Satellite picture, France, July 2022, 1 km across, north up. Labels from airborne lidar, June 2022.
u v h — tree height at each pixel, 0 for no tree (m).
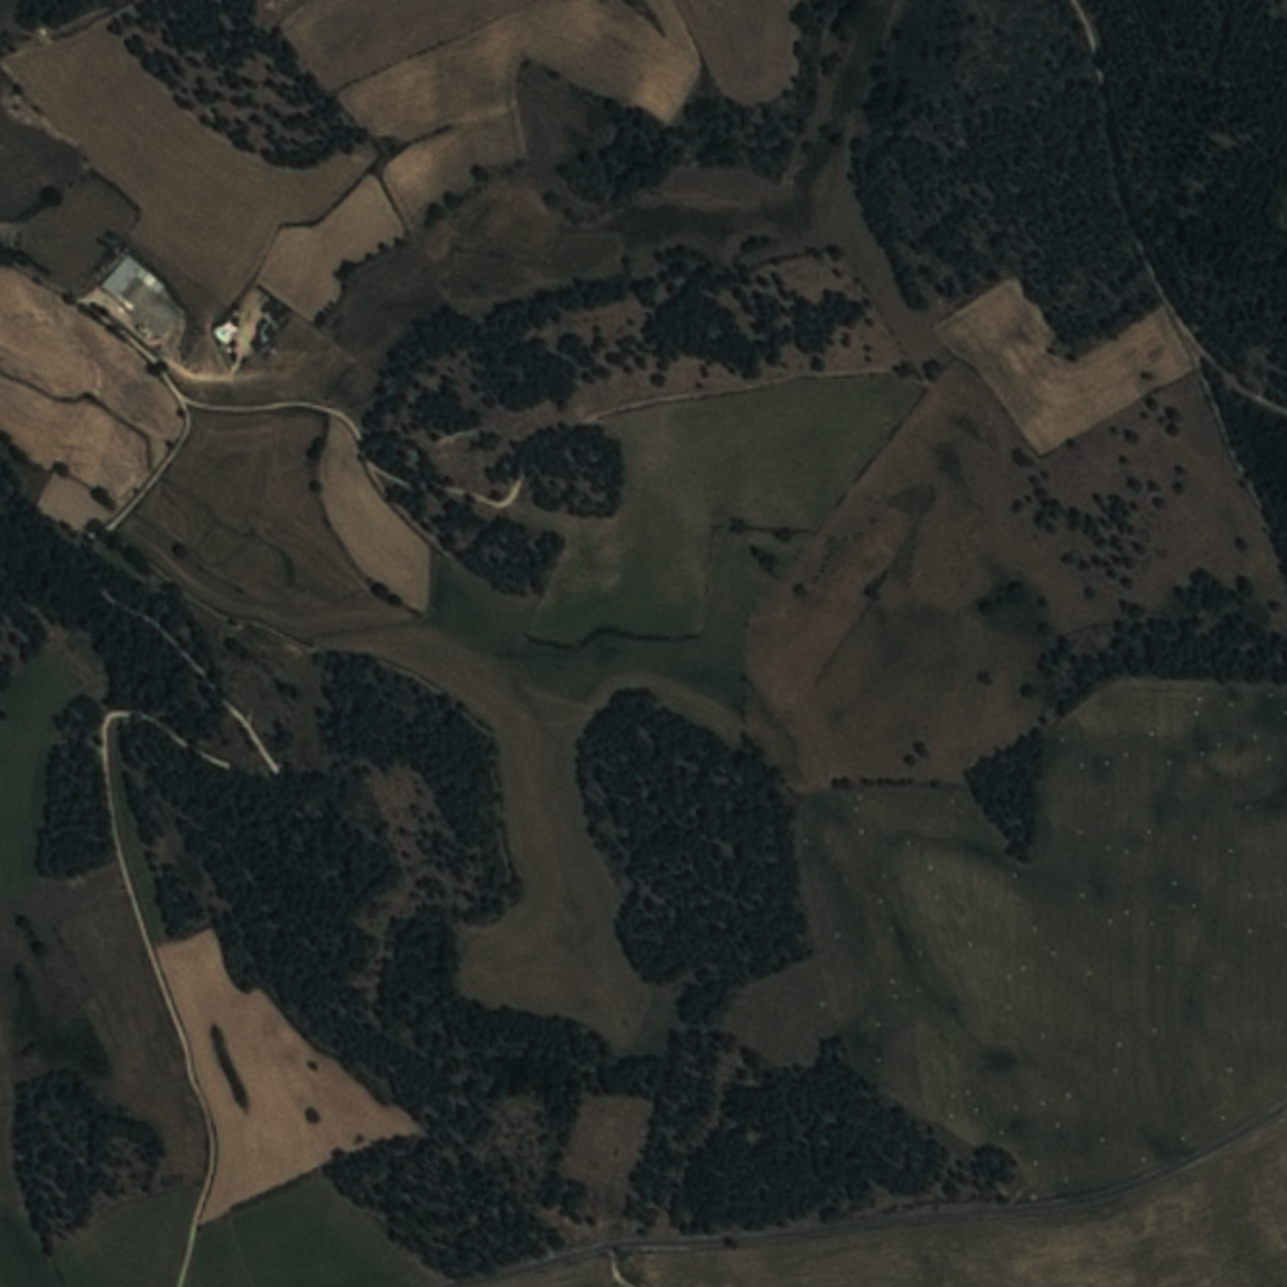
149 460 0
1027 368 0
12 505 9
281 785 18
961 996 0
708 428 0
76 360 0
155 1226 0
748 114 14
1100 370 0
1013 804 18
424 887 8
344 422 0
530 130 0
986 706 0
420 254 0
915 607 0
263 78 0
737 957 16
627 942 18
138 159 0
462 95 0
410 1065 18
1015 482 0
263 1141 0
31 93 0
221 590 0
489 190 0
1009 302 0
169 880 7
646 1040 0
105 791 13
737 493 0
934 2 14
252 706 0
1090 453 0
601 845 6
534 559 14
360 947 17
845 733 0
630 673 0
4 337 0
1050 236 17
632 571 0
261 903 14
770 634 0
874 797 0
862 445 0
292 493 0
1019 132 17
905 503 0
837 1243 0
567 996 0
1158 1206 0
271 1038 0
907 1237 0
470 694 0
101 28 0
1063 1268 0
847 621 0
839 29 12
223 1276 0
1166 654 14
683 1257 0
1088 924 0
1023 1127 0
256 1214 0
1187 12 8
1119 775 0
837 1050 12
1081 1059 0
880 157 10
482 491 0
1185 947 0
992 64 0
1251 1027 0
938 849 0
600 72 0
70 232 0
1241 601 13
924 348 0
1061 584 0
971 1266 0
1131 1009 0
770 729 0
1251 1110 0
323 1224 0
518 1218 8
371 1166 18
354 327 0
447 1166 15
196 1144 0
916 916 0
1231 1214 0
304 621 0
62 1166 15
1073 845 0
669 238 0
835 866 0
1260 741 0
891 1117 14
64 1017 0
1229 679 9
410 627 0
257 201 0
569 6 0
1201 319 14
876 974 0
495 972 0
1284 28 16
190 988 0
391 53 0
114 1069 0
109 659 14
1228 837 0
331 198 0
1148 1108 0
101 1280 0
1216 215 21
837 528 0
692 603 0
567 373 7
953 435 0
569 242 0
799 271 0
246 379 0
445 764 18
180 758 19
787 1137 13
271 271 0
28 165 0
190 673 21
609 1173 0
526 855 0
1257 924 0
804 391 0
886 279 0
